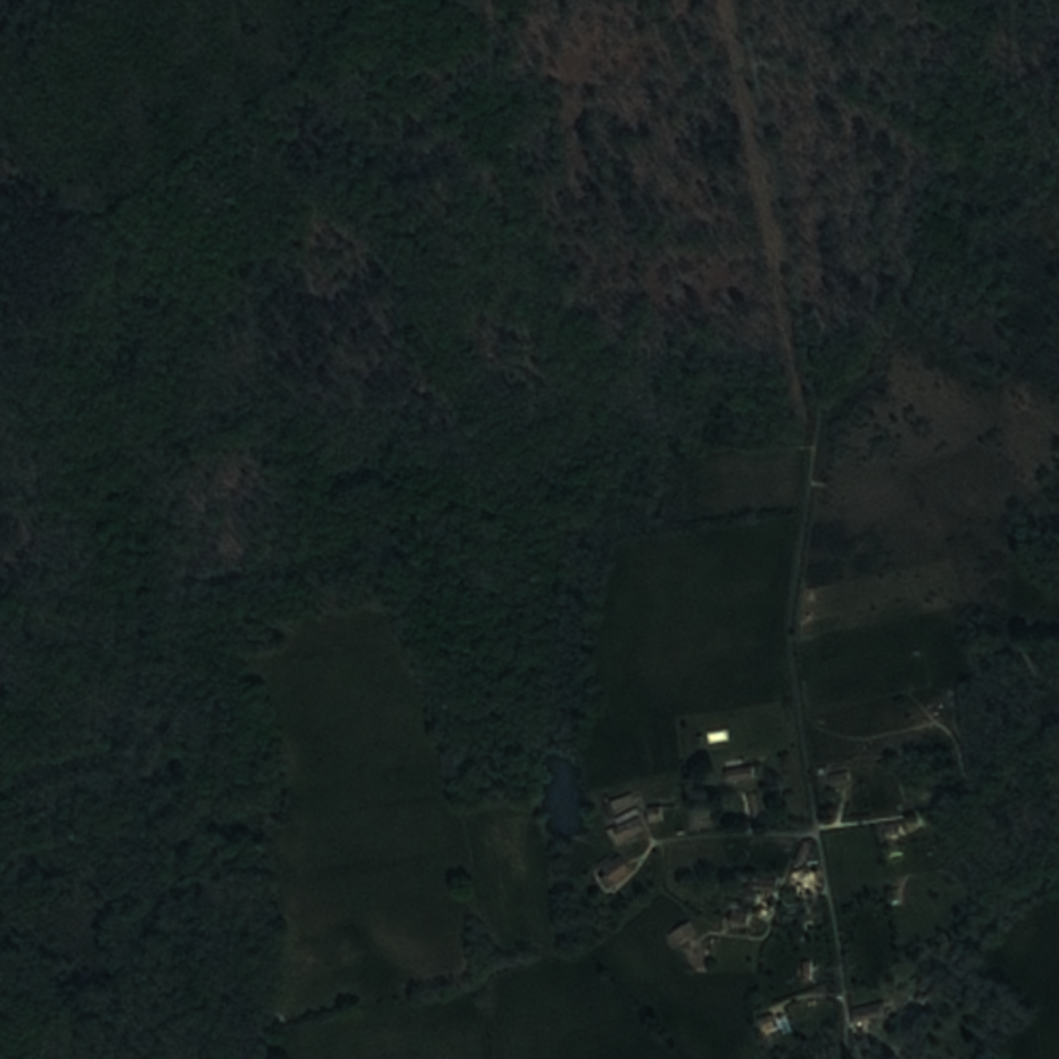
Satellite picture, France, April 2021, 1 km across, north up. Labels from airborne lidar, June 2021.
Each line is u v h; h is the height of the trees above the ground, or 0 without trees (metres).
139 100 12
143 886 27
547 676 23
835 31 13
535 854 0
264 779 21
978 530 0
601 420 23
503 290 17
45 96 16
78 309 22
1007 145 17
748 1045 0
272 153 19
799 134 11
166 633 21
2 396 25
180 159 18
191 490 18
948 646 0
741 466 0
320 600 19
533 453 21
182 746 20
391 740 0
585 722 25
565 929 15
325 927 0
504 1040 0
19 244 22
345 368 15
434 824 0
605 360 18
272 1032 18
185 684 21
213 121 18
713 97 16
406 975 0
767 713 0
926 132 23
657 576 0
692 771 14
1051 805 21
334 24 14
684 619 0
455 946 0
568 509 28
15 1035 23
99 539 19
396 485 22
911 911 0
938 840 10
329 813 0
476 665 16
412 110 18
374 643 0
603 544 20
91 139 18
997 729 13
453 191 17
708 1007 0
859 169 15
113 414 22
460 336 18
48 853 8
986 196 8
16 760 22
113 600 17
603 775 0
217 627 19
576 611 26
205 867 16
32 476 24
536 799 22
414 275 19
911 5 16
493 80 19
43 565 17
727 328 19
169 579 20
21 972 18
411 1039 0
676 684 0
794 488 0
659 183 15
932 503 0
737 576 0
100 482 26
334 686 0
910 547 0
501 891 0
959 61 20
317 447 17
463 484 21
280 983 24
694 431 21
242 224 20
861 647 0
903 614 0
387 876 0
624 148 19
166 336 18
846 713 0
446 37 18
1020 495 6
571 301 18
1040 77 27
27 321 26
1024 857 22
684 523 10
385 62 21
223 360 19
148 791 21
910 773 17
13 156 13
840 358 18
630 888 0
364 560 21
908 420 7
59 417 28
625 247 13
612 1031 0
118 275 22
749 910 9
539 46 18
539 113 18
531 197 18
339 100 20
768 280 18
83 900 15
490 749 20
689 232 18
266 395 19
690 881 15
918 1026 21
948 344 14
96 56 14
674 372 16
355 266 12
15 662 18
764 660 0
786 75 13
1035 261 15
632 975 0
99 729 22
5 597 22
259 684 15
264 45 11
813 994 12
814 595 0
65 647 17
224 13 13
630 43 12
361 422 15
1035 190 12
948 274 21
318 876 0
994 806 20
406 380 21
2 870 18
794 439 17
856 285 19
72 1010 24
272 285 25
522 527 23
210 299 14
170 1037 22
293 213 23
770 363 19
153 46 16
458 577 26
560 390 19
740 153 20
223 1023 27
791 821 8
